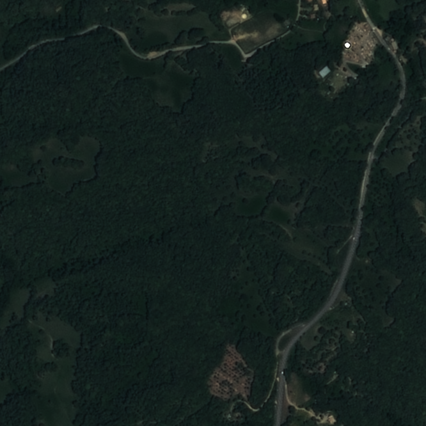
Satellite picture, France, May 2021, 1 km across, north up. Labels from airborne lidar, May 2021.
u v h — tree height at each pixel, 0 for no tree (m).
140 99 14
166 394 11
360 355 8
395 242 17
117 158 15
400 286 9
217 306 11
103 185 8
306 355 14
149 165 9
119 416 10
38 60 14
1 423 6
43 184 17
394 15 8
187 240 15
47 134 16
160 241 15
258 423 11
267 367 12
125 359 10
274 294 9
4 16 18
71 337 0
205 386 14
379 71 7
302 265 12
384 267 14
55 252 11
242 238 10
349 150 12
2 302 21
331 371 13
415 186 9
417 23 7
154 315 15
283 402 0
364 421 15
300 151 13
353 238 0
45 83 9
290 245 0
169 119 17
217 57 17
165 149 10
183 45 12
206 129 15
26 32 11
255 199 0
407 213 15
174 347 11
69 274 11
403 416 12
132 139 13
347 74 0
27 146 11
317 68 15
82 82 12
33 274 12
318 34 0
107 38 18
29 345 11
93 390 6
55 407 0
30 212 8
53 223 7
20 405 12
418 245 15
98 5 15
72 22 22
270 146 14
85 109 12
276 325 8
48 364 12
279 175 0
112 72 16
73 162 15
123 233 13
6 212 13
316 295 12
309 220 14
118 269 11
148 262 14
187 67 10
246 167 7
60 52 11
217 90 18
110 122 12
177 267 18
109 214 10
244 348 15
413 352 17
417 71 12
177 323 14
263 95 12
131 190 7
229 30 0
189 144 7
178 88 0
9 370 16
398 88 10
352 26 9
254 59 12
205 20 0
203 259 14
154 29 0
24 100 10
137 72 0
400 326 13
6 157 13
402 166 0
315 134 16
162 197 10
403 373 12
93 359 8
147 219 9
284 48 9
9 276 23
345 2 0
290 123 12
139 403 11
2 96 12
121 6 12
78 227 8
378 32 0
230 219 12
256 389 12
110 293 10
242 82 12
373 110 16
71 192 10
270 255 11
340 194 6
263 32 0
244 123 16
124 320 10
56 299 7
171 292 14
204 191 11
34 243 10
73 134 13
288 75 14
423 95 7
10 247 14
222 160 10
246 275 0
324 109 13
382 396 14
